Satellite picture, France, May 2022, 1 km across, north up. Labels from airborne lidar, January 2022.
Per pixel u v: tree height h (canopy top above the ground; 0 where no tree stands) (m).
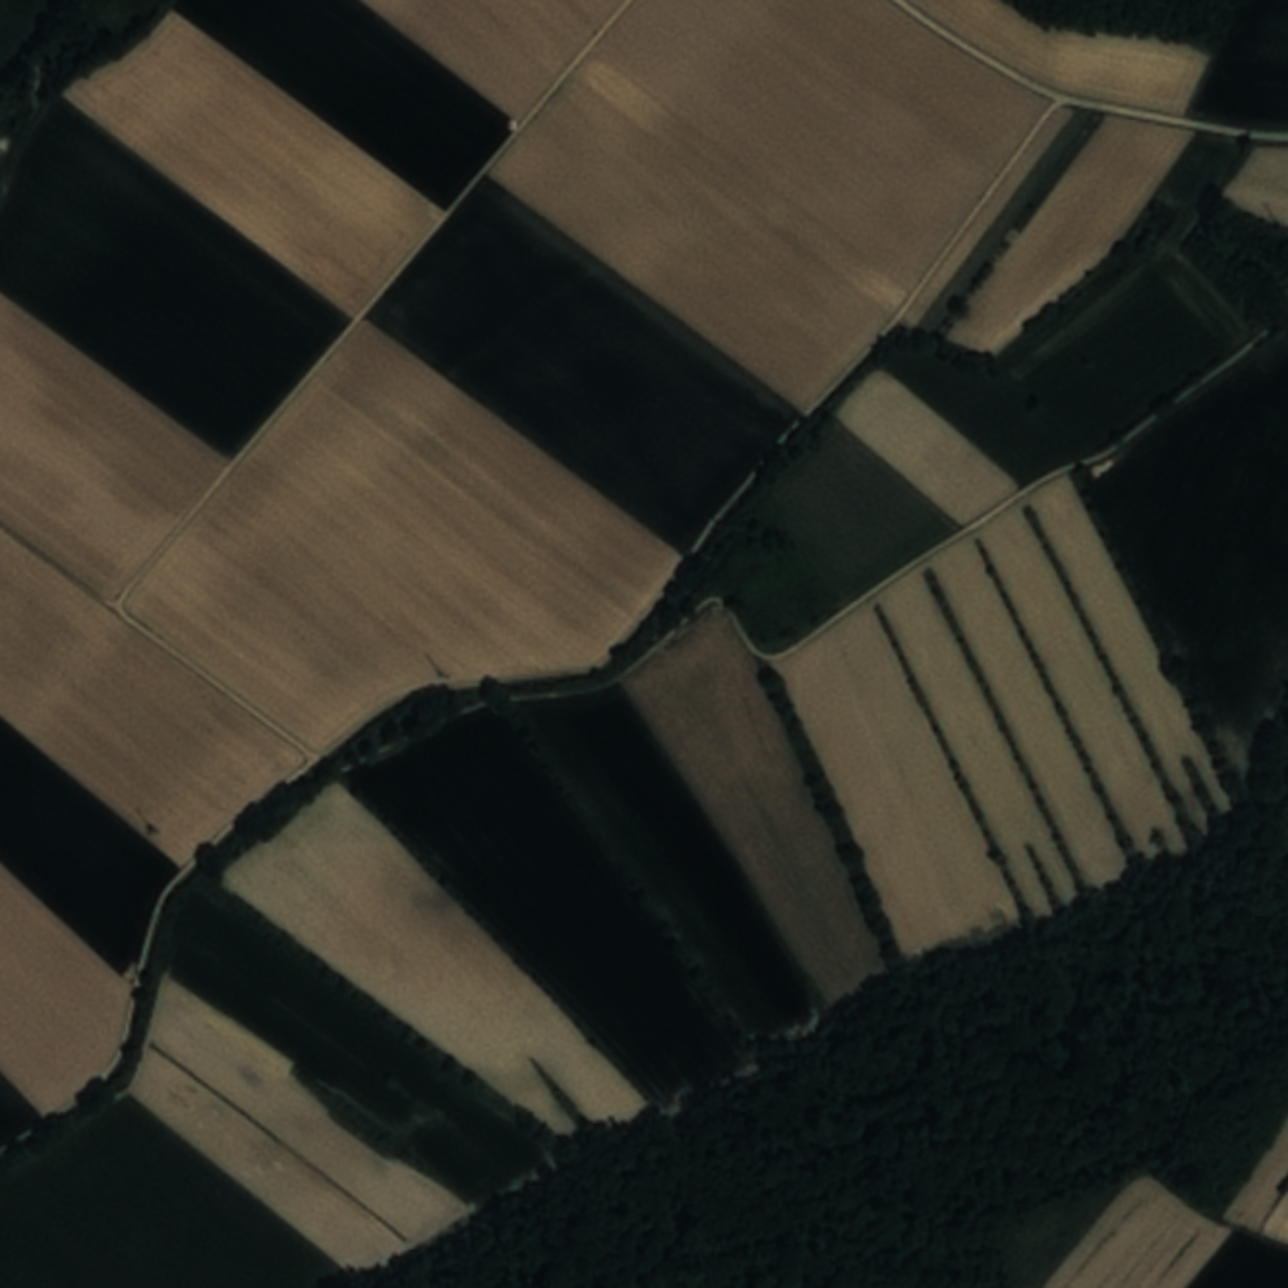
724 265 0
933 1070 20
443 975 0
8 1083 0
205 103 0
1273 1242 0
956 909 0
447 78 0
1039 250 0
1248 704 0
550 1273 27
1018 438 0
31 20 0
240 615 0
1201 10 20
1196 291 0
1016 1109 23
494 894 0
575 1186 18
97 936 0
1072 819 0
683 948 10
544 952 0
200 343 0
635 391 0
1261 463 0
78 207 0
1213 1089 14
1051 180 0
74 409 0
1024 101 0
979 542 0
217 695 0
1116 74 0
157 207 0
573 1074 0
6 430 0
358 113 0
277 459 0
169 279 0
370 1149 0
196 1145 0
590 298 0
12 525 0
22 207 0
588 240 0
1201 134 0
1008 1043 28
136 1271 0
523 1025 0
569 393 0
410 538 0
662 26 0
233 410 0
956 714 0
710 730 0
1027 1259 0
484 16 0
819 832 0
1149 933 25
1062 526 0
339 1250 0
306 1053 0
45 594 0
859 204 0
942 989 22
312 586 0
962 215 0
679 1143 10
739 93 0
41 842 0
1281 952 21
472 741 0
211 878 15
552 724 0
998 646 0
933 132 0
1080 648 0
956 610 0
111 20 0
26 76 20
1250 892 24
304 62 0
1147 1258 0
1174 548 0
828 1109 21
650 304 0
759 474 9
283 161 0
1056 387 0
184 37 0
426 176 0
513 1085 0
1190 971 6
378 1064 0
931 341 14
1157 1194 0
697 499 0
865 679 0
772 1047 14
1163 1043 18
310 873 0
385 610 0
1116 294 0
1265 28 0
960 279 0
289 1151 0
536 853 0
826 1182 17
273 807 16
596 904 0
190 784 0
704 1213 13
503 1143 0
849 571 0
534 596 0
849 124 0
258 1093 0
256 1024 0
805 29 0
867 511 0
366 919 0
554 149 0
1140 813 0
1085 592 0
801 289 0
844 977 0
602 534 0
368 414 0
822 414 10
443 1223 0
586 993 0
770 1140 22
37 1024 0
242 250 0
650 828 0
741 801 0
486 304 0
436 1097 0
